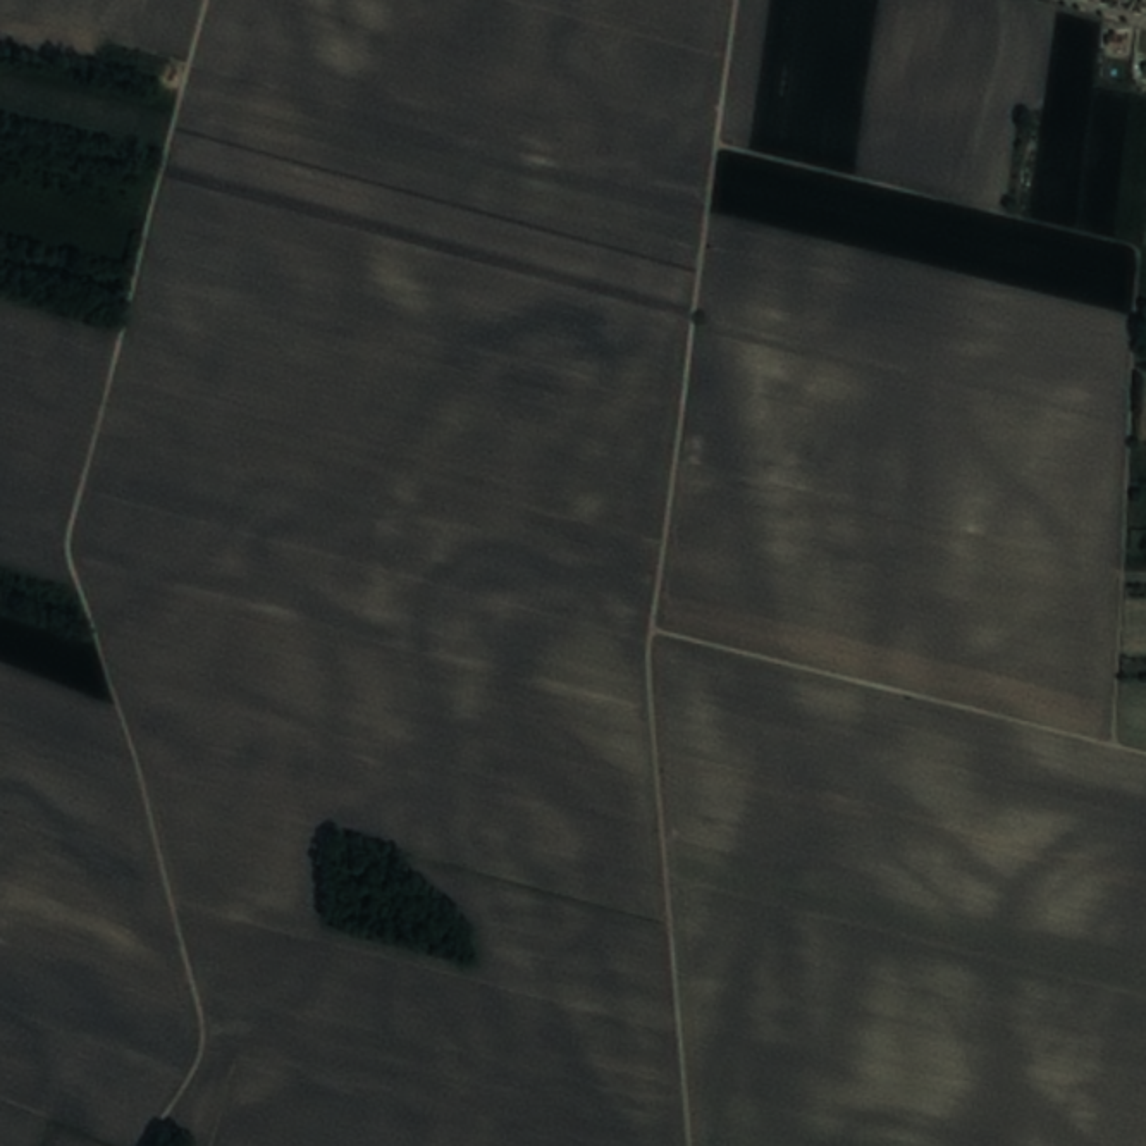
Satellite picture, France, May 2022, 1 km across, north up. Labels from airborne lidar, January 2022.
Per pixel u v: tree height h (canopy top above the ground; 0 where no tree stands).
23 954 0
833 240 0
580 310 0
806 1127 0
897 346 0
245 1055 0
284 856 0
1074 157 0
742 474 0
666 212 0
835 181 0
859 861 0
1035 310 0
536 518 0
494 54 0
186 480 0
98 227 0
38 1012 0
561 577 0
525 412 0
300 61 0
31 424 0
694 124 0
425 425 0
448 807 0
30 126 9
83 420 0
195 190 0
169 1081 0
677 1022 0
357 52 0
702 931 0
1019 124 14
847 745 0
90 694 0
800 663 0
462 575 0
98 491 0
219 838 0
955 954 0
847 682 0
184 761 0
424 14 0
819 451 0
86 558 0
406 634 0
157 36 0
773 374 0
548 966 0
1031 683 0
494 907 0
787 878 0
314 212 0
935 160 0
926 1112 0
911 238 0
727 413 0
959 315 0
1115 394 0
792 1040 0
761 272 0
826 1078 0
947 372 0
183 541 0
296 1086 0
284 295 0
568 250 0
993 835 0
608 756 0
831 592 0
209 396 0
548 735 0
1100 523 0
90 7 0
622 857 0
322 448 0
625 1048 0
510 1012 0
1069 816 0
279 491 0
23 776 0
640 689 0
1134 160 0
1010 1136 0
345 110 0
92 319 16
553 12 0
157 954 0
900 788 0
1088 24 0
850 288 0
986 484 0
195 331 0
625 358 0
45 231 0
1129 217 0
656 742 0
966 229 0
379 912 12
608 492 0
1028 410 0
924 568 0
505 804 0
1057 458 0
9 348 0
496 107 0
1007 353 0
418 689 0
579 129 0
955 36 0
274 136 0
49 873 0
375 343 0
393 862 15
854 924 0
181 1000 0
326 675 0
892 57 0
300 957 0
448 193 0
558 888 0
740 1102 0
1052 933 0
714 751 0
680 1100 0
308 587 0
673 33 0
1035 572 0
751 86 0
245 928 0
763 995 0
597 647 0
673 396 0
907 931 0
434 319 0
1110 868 0
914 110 0
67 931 0
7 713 0
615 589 0
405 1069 0
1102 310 0
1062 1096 0
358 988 0
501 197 0
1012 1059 0
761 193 0
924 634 0
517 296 0
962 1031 0
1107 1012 0
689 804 0
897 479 0
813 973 0
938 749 0
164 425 0
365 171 0
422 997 0
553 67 0
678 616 0
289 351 0
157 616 0
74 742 0
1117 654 0
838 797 0
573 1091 0
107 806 0
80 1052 0
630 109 0
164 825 0
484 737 0
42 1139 0
